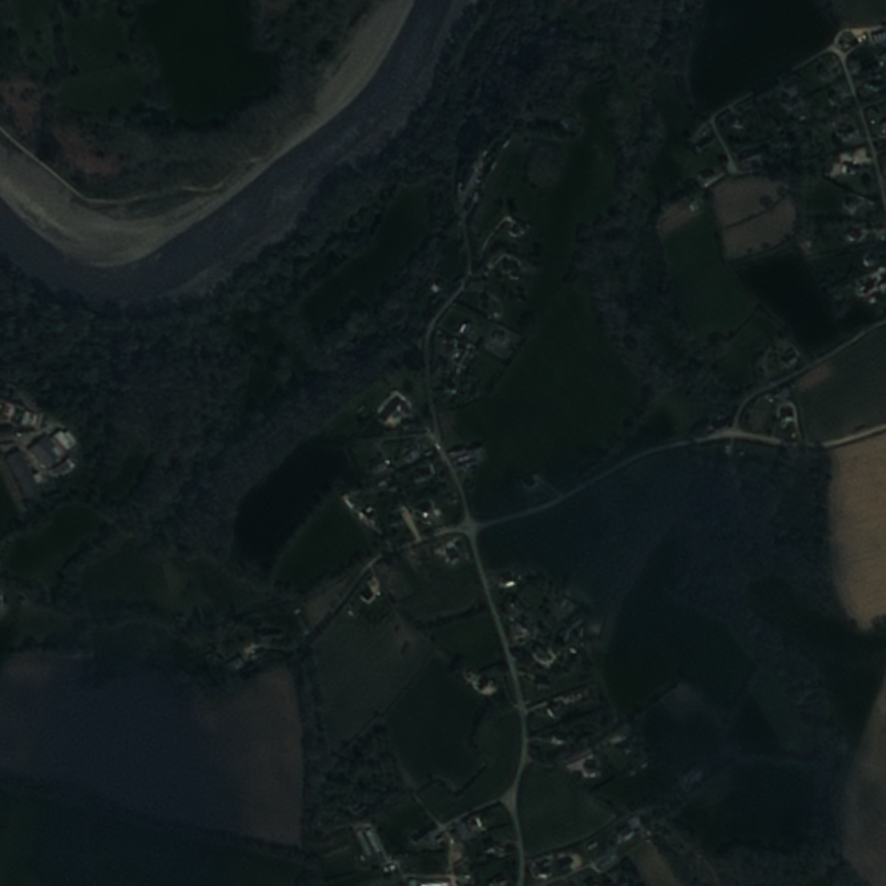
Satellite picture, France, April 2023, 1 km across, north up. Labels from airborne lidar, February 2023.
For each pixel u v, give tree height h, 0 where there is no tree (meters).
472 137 22
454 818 0
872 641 0
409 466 6
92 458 11
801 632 0
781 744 0
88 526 0
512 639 7
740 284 0
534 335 8
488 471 0
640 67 18
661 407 0
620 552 0
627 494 0
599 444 0
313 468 0
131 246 0
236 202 0
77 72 8
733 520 17
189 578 0
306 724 16
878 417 0
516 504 0
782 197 12
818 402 0
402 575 0
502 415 0
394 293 8
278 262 10
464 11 0
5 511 0
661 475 0
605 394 0
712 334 0
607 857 0
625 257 18
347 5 11
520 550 0
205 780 0
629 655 0
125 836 0
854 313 0
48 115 12
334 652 0
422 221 0
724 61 0
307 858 14
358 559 12
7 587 11
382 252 0
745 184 0
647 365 23
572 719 9
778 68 0
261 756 0
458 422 0
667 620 0
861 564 0
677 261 0
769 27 0
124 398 21
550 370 0
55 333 27
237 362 19
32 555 0
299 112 21
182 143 15
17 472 0
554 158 12
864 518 0
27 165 0
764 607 0
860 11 0
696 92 0
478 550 0
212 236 0
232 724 0
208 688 24
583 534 0
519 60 8
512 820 0
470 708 0
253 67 0
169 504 8
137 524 21
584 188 0
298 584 0
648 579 0
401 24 0
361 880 0
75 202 0
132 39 9
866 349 0
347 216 7
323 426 21
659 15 7
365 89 0
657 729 0
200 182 17
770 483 15
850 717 0
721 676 0
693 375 13
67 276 0
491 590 0
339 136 0
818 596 19
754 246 0
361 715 0
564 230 0
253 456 26
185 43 0
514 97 13
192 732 0
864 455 0
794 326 0
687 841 12
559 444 0
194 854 0
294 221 0
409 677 0
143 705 0
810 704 13
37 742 0
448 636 0
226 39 0
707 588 12
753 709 0
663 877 0
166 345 25
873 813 0
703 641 0
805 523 0
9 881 0
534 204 0
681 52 20
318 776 23
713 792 0
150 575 0
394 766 6
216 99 0
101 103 0
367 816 9
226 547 10
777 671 13
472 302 0
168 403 20
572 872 0
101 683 11
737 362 0
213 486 25
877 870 0
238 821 0
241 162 19
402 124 0
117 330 13
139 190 16
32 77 7
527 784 0
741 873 17
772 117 10
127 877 0
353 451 0
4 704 0
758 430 0
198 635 19
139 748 0
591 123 0
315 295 0
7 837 0
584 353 0
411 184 16
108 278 0
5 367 16
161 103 18
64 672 0
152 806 0
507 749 0
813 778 14
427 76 0
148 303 0
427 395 0
